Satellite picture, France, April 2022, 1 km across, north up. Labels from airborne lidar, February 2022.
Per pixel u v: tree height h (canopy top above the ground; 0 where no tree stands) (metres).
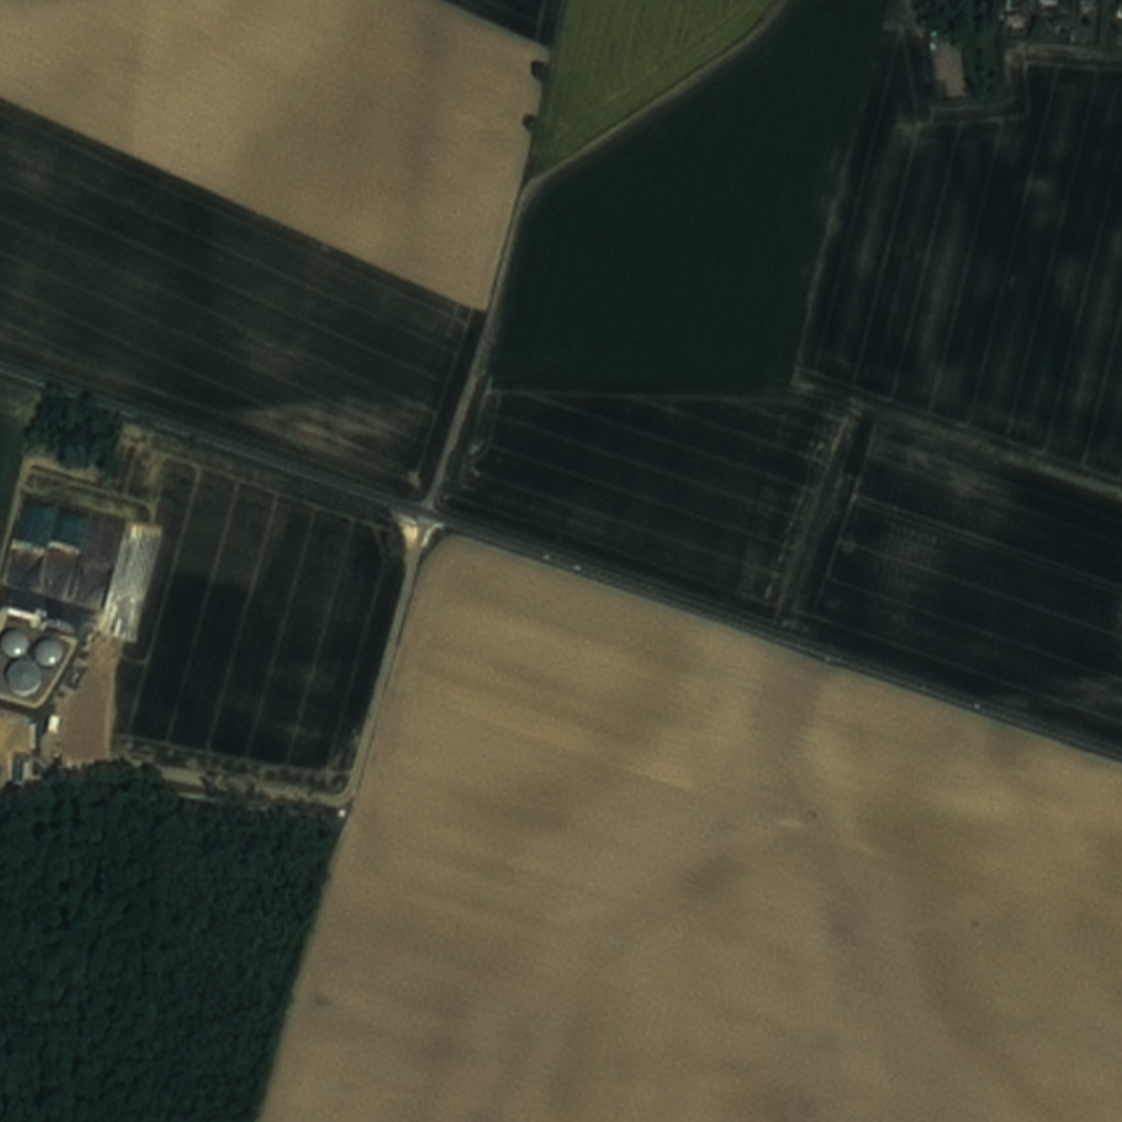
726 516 0
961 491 0
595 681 0
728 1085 0
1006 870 0
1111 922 0
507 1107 0
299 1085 0
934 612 0
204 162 0
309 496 0
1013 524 0
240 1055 27
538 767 0
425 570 0
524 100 0
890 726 0
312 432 0
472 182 0
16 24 0
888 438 0
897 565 0
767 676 0
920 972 0
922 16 14
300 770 0
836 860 0
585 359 0
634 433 0
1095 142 0
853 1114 0
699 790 0
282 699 0
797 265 0
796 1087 0
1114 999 0
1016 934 0
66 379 0
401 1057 0
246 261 0
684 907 0
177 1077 25
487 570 0
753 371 0
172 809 27
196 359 0
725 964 0
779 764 0
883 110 0
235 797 21
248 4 0
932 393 0
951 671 0
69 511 0
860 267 0
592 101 0
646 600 0
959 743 0
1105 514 0
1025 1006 0
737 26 0
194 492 0
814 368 0
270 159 0
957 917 0
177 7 0
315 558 0
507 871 0
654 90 0
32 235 0
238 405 0
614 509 0
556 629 0
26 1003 24
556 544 0
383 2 0
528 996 0
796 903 0
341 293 0
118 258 0
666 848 0
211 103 0
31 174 0
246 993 18
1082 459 0
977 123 0
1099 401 0
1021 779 0
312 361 0
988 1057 0
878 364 0
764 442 0
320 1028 0
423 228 0
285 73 0
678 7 0
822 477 0
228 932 28
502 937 0
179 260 0
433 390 0
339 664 0
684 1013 0
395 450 0
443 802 0
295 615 0
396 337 0
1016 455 0
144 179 0
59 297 0
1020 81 0
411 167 0
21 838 26
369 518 0
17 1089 27
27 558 0
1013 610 0
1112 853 0
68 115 0
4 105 0
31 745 0
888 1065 0
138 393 0
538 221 0
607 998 0
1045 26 11
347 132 0
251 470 0
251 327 0
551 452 0
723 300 0
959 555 0
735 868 0
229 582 0
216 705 0
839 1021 0
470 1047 0
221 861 31
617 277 0
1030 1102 0
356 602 0
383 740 0
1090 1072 0
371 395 0
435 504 0
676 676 0
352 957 0
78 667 0
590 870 0
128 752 0
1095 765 0
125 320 0
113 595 0
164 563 0
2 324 0
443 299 0
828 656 0
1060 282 0
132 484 0
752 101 0
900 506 0
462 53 0
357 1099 0
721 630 0
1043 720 0
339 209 0
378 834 0
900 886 0
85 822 23
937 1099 0
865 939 0
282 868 27
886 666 0
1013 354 0
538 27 0
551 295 0
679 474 0
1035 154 0
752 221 0
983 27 14
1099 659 0
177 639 0
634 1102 0
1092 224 0
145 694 0
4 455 0
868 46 0
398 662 0
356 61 0
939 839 0
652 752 0
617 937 0
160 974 23
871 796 0
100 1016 29
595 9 0
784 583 0
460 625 0
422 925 0
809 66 0
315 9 0
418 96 0
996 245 0
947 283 0
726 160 0
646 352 0
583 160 0
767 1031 0
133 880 27
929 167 0
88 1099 25
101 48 0
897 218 0
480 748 0
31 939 27
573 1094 0
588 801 0
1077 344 0
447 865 0
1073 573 0
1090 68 0
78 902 23
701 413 0
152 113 0
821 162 0
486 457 0
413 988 0
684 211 0
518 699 0
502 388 0
